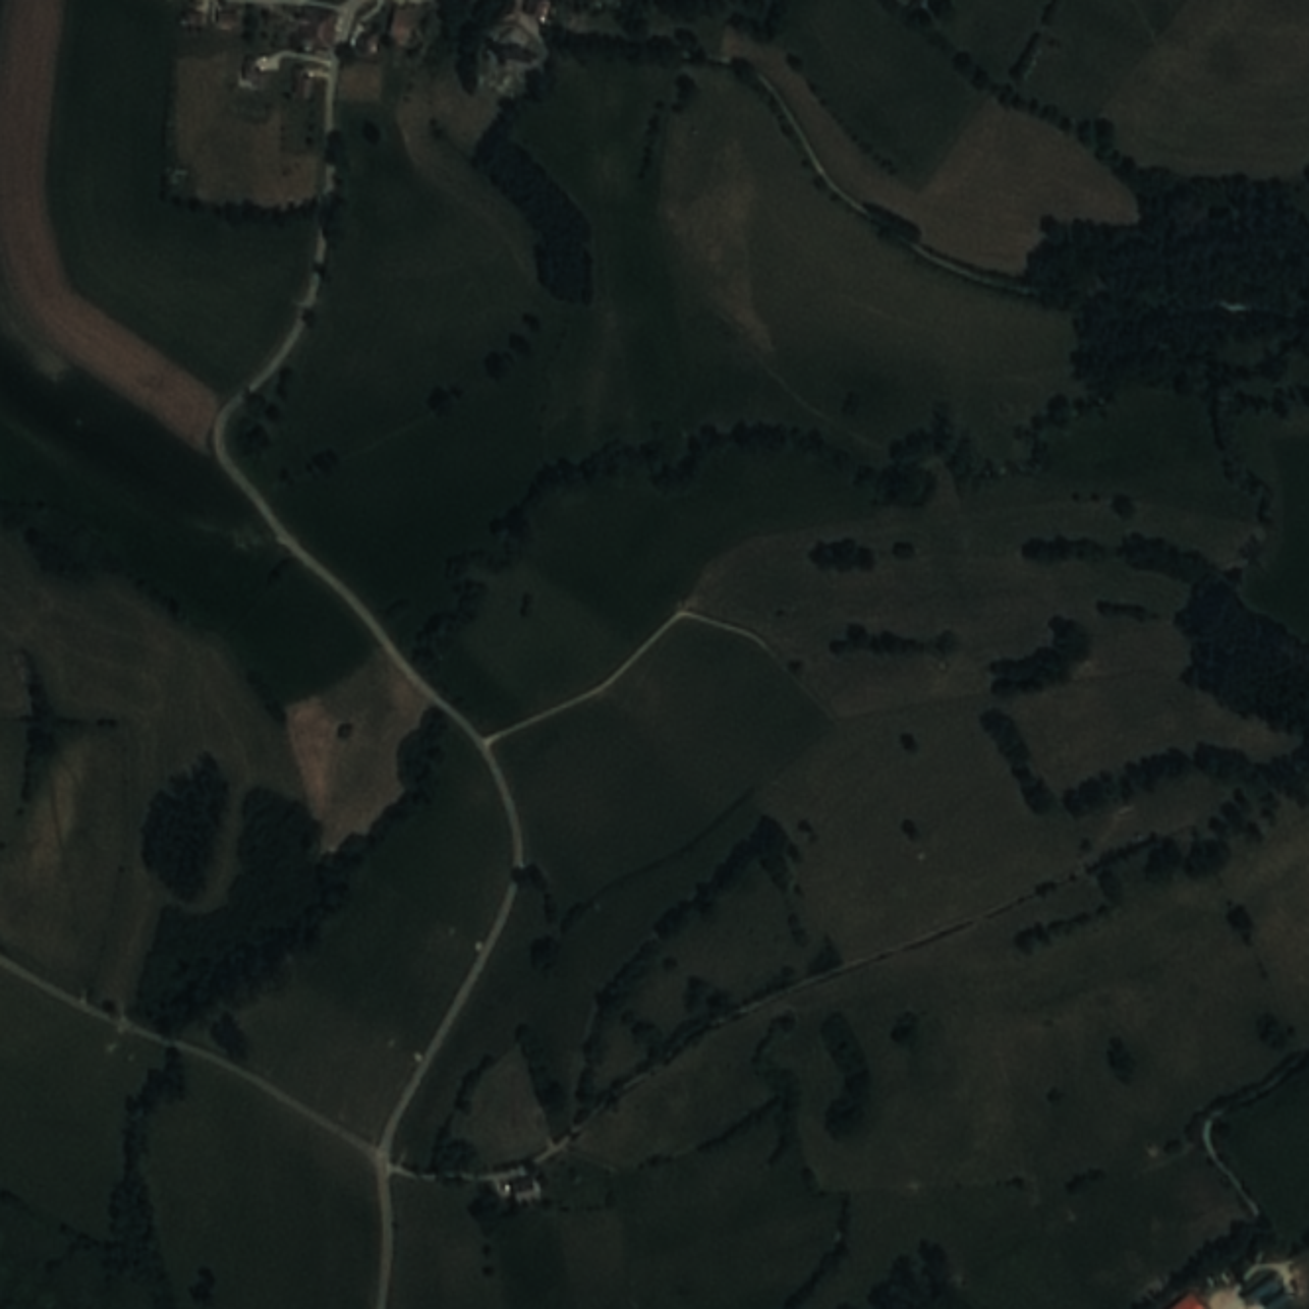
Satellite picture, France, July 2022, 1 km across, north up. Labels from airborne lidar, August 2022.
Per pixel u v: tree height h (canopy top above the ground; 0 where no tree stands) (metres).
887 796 0
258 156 0
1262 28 0
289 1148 0
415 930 0
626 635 0
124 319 0
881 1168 0
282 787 0
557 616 0
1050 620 0
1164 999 0
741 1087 0
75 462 0
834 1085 0
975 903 0
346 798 0
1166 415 0
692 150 0
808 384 0
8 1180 0
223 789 21
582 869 0
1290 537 0
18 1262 0
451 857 0
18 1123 0
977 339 0
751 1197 0
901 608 0
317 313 11
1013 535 0
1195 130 0
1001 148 0
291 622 0
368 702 0
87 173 0
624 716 0
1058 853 0
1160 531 0
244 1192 0
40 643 0
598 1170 0
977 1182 0
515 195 20
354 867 17
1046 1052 0
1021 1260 0
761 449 14
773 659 0
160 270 0
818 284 0
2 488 0
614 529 0
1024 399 0
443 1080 0
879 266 0
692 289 0
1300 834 0
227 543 0
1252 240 25
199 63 0
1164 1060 0
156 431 0
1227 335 24
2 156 0
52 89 0
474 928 0
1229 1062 0
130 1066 0
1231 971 0
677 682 0
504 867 0
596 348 0
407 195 0
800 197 0
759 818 0
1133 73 0
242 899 6
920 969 0
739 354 0
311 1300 0
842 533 0
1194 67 0
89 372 0
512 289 0
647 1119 0
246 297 0
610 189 0
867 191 0
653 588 0
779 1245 0
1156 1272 0
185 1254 0
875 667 0
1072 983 0
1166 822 0
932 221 0
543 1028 0
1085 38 0
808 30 0
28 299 0
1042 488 0
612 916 0
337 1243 0
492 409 0
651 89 0
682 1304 0
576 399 0
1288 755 0
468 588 8
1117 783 18
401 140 0
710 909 13
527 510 7
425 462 0
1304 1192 0
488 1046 0
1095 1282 0
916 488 20
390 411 0
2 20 0
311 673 0
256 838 6
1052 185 0
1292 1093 0
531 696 0
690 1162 0
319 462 15
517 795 0
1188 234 28
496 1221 8
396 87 0
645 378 0
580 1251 0
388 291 0
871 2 0
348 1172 0
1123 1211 0
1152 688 0
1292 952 0
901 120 0
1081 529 0
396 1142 0
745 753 0
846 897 0
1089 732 0
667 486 24
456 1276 0
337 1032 0
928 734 0
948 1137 0
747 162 0
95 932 0
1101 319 21
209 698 0
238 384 0
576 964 0
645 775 0
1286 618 0
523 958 0
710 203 0
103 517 0
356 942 0
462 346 0
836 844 0
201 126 0
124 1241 6
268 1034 0
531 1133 0
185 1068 13
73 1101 0
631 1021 6
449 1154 13
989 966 0
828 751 0
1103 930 0
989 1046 0
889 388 0
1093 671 0
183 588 0
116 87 0
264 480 0
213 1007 18
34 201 0
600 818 0
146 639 0
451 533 0
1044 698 0
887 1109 0
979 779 0
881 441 0
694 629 0
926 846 0
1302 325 20
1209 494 0
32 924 0
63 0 0
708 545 0
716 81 0
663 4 17
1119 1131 0
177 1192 0
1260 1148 0
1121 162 6
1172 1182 0
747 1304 0
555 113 0
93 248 0
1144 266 24
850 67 0
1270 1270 0
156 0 0
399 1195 0
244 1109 0
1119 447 0
